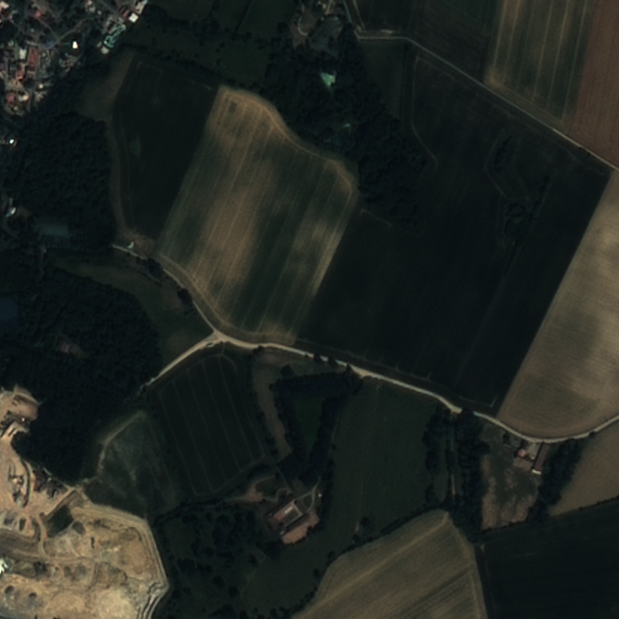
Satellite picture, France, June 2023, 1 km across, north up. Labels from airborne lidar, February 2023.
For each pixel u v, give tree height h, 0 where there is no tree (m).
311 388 31
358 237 0
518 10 0
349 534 0
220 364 0
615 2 0
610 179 0
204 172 0
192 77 0
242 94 0
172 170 0
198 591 0
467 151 0
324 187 0
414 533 0
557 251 0
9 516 0
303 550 0
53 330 18
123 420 0
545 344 0
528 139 0
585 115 0
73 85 24
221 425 0
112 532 0
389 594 0
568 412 0
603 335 0
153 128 0
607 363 0
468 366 0
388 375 0
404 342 0
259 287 0
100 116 0
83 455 30
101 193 18
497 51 0
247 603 0
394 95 0
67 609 0
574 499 0
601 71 0
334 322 0
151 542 0
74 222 13
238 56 0
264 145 0
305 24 0
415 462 0
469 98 0
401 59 0
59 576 0
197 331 0
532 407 0
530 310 0
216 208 0
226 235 0
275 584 0
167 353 0
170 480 0
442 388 0
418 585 0
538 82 0
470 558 0
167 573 0
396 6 0
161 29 0
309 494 0
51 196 20
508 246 0
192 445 0
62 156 19
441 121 0
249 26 0
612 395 0
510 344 0
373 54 0
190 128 0
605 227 0
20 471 0
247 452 0
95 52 23
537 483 0
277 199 0
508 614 0
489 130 0
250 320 0
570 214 0
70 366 33
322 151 0
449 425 20
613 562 0
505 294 0
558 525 0
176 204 0
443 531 0
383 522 0
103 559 0
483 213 0
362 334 0
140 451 0
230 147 0
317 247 0
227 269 0
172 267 0
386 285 0
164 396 0
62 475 24
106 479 0
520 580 0
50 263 12
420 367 0
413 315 0
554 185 0
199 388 0
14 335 18
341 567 0
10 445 0
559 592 0
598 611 0
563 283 0
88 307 17
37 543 0
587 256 0
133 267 0
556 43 0
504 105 0
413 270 0
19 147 10
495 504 0
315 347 0
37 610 0
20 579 0
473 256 0
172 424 0
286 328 0
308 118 10
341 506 0
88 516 0
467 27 0
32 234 16
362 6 0
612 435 0
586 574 0
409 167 31
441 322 0
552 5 0
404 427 0
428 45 0
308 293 0
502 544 0
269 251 0
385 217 0
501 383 0
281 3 0
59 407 35
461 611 0
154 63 0
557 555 0
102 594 0
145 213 0
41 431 33
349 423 0
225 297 0
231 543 28
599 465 0
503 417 0
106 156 17
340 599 0
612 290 0
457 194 0
